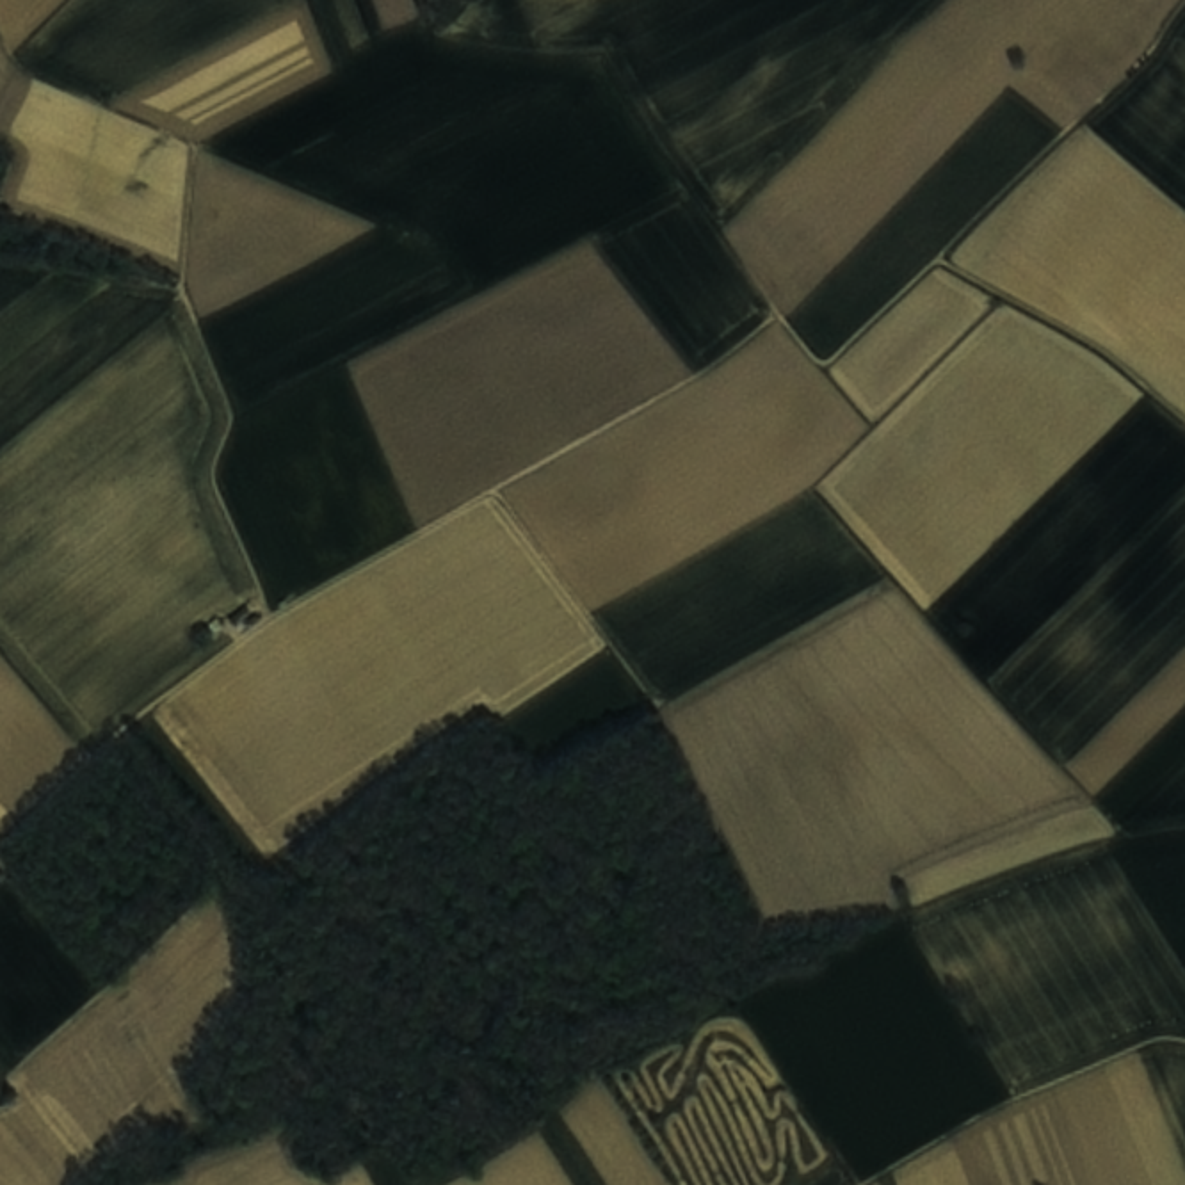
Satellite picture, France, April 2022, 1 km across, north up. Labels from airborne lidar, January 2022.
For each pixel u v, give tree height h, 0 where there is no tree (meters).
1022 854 0
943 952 0
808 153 0
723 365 0
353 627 0
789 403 0
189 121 0
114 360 0
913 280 0
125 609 0
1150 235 0
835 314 0
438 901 32
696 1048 0
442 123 0
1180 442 0
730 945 28
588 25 0
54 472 0
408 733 0
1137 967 0
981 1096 0
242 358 0
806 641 0
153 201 0
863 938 14
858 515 0
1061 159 0
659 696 0
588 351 0
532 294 0
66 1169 0
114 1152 20
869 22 0
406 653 0
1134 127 0
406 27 0
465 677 0
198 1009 0
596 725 0
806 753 0
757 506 0
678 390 0
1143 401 0
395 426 0
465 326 0
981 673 0
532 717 0
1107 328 0
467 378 0
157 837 28
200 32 0
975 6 0
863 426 0
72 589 0
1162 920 0
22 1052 0
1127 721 0
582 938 34
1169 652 0
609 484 0
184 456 0
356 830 28
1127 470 0
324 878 28
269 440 0
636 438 0
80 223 0
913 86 0
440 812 33
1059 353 0
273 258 0
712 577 0
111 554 0
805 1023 0
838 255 0
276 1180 0
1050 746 0
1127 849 0
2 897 0
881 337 0
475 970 34
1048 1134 0
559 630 0
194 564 0
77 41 0
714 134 0
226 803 0
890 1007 0
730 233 0
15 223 23
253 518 0
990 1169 0
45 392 0
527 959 30
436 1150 27
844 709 0
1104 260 0
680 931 31
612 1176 0
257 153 0
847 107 0
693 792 26
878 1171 0
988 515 0
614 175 0
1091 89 0
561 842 28
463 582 0
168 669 0
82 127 0
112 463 0
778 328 0
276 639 0
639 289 0
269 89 0
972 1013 0
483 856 31
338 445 0
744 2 0
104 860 26
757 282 0
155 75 0
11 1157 0
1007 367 0
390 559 0
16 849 23
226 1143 21
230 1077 32
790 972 16
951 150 0
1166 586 0
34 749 0
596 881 33
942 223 0
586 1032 30
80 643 0
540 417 0
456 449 0
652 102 0
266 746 0
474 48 0
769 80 0
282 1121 18
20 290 0
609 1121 0
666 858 31
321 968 26
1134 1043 0
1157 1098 0
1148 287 0
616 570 0
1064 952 0
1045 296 0
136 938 23
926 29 0
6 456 0
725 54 0
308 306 0
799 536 0
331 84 0
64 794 25
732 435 0
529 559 0
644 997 30
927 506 0
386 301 0
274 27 0
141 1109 0
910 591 0
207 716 0
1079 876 0
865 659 0
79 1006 0
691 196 0
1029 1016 0
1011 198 0
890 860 0
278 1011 33
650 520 0
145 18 0
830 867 0
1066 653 0
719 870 28
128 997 0
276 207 0
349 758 0
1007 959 0
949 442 0
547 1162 0
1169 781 0
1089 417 0
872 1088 0
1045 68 0
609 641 0
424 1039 31
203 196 0
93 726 0
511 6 0
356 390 0
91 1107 0
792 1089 0
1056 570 0
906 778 0
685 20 0
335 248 0
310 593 0
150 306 0
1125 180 0
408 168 0
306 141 0
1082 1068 0
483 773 31
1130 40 0
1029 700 0
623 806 30
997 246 0
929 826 0
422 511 0
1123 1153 0
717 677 0
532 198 0
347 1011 32
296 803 0
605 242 0
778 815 0
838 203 0
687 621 0
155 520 0
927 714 0
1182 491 0
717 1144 0
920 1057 0
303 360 0
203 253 0
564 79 0
